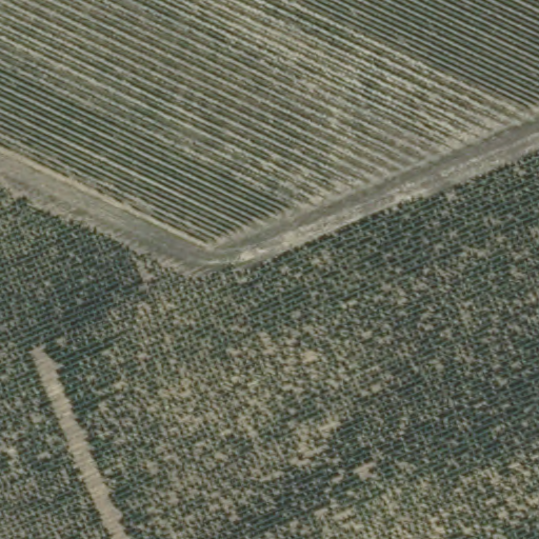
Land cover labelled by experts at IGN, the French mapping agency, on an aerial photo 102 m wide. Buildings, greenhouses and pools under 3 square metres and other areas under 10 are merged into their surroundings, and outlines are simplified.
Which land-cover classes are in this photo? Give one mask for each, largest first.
<instances>
[{"label":"vineyard","instance_id":"1","mask_svg":"<svg viewBox=\"0 0 539 539\"><path fill-rule=\"evenodd\" d=\"M539 116V0H0V147L17 152L63 177H74L88 187H95L99 194H107L118 202H126L135 211L152 215L158 221H164L185 232L192 238L213 242L215 238L227 232L248 225L253 219L263 229L276 227L280 221H293L307 211H316L320 204H331L360 189L375 187L377 183L390 177L402 175L417 166H425L444 154L463 147L465 143L480 141L493 135L495 131L518 126ZM0 539H539V149L510 164H501L484 175L467 179L465 183H448L432 196L400 202L396 211L390 208L362 217L360 221H354L333 234H324L320 238L293 246L276 257H261L259 261H240L232 265H215L213 274L206 278H185L168 267H162L147 253H133L131 248L95 229H88L74 221H61V217L48 211L34 208L27 202V198H15L0 187Z\"/></svg>","mask_w":539,"mask_h":539},{"label":"herbaceous vegetation","instance_id":"2","mask_svg":"<svg viewBox=\"0 0 539 539\"><path fill-rule=\"evenodd\" d=\"M539 149V116L518 126L495 131L493 135L480 141L465 143L463 147L444 154L425 166H417L402 175L390 177L377 183L375 187L360 189L331 204H320L316 211H307L293 221H280L276 227L263 229L253 219L248 225L227 232L215 238L213 242L192 238L185 232L164 221H158L152 215L135 211L126 202H118L107 194H99L95 187H88L74 177H63L17 152L0 147V187L15 198H27V202L34 208L48 211L61 217V221H74L88 229H95L131 248L133 253H147L162 267H168L185 278H206L213 274L215 265H232L240 261H259L261 257H276L293 246L320 238L324 234H333L354 221H360L362 217L390 208L396 211L400 202L432 196L448 183H465L467 179L484 175L501 164H510Z\"/></svg>","mask_w":539,"mask_h":539}]
</instances>
